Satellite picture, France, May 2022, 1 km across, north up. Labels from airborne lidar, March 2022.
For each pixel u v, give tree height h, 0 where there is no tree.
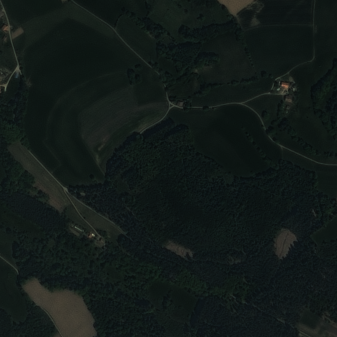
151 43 0
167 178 12
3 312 18
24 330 18
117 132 0
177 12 0
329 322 10
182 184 14
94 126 0
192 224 12
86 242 17
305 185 13
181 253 0
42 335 10
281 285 25
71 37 0
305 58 0
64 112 0
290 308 21
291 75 0
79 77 0
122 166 28
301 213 24
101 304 9
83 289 29
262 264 21
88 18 0
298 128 0
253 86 0
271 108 0
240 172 0
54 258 17
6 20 0
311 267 15
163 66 0
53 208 9
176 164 10
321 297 16
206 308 30
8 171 21
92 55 0
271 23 0
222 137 0
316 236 0
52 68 0
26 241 13
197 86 0
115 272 0
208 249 11
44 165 0
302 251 29
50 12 0
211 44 0
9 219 0
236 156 0
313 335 0
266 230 8
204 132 0
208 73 0
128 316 8
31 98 0
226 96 0
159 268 21
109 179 15
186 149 9
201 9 0
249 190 17
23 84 20
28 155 0
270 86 0
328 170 0
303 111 0
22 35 0
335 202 13
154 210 8
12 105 20
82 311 0
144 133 0
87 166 0
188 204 11
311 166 0
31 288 0
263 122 0
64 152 0
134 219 28
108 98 0
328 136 0
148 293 15
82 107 0
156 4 0
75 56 0
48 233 21
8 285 0
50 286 26
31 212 23
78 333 0
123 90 0
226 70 0
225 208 12
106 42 0
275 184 18
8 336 11
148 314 18
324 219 25
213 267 17
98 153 0
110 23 0
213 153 0
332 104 16
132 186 17
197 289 23
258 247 22
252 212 11
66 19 0
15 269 0
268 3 0
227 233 11
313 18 0
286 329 29
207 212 10
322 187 0
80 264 21
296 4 0
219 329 32
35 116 0
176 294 0
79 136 0
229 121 0
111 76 0
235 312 32
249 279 25
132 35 0
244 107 0
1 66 0
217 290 30
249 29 0
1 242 0
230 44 0
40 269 8
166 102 0
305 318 0
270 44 0
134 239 24
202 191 10
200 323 35
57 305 0
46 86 0
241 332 29
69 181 0
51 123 0
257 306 25
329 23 0
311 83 0
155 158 14
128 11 14
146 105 0
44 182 0
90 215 0
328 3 0
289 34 0
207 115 0
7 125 23
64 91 0
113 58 0
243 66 0
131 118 0
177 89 0
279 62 0
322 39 0
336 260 9
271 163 16
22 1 0
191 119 0
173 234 8
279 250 0
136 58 0
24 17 0
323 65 0
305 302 26
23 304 0
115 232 0
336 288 25
